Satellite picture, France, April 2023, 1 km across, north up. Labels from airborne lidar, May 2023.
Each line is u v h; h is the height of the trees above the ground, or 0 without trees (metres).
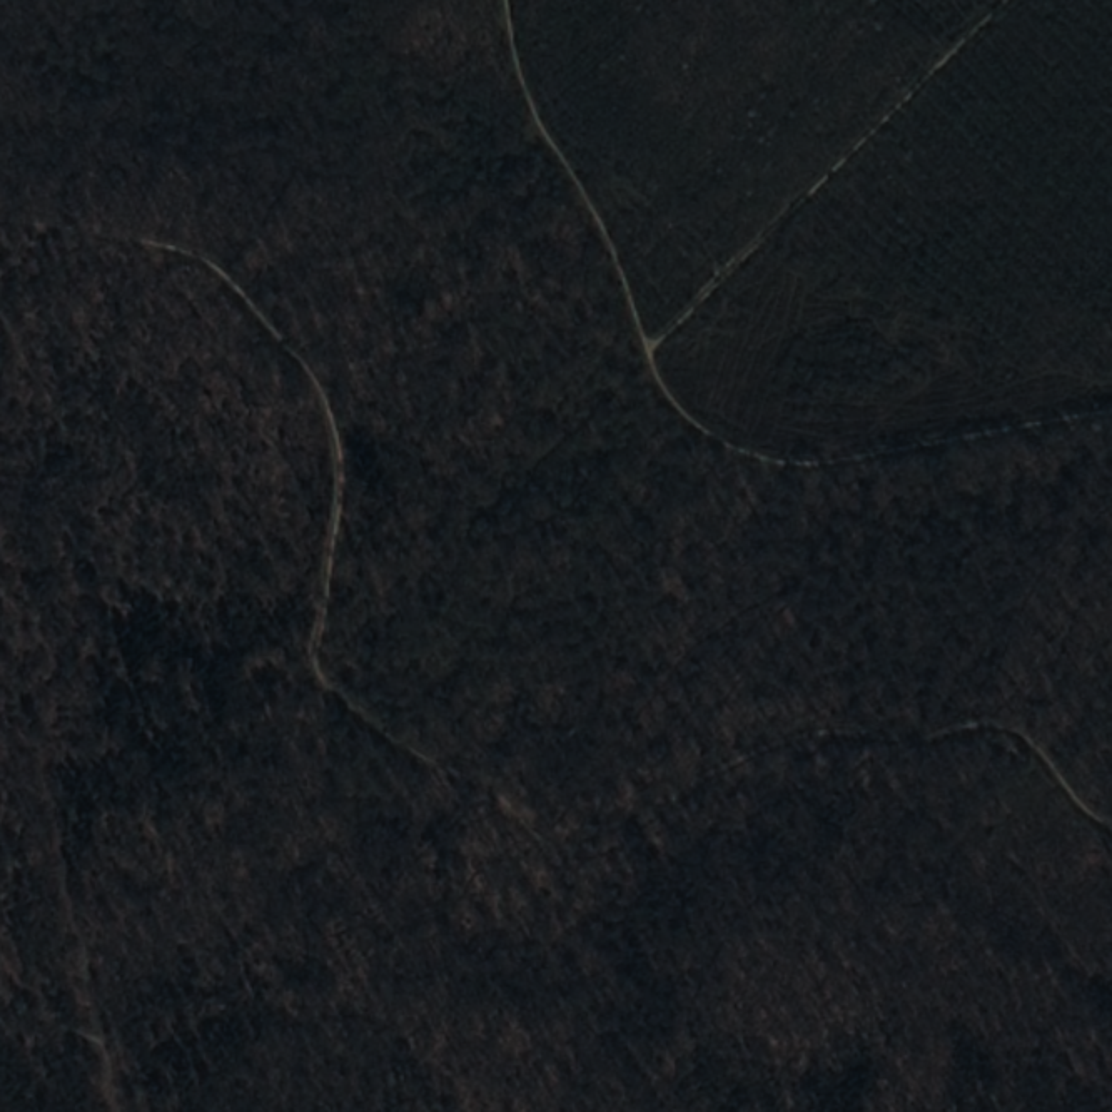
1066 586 25
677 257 11
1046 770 12
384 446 27
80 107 19
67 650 14
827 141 13
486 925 31
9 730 20
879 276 9
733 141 14
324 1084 13
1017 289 11
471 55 14
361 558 28
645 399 25
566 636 27
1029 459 26
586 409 16
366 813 23
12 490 20
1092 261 11
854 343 12
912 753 20
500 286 26
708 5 14
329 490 6
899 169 8
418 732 26
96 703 16
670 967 21
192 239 25
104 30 23
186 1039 14
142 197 22
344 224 27
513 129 18
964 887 18
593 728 29
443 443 30
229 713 20
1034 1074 19
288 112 13
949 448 13
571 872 28
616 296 11
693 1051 22
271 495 21
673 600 29
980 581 29
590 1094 20
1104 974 12
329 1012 23
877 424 0
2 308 18
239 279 24
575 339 24
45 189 24
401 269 31
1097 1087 24
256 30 15
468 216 28
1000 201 9
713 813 22
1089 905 9
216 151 15
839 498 25
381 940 21
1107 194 11
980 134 13
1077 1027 23
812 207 13
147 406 20
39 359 22
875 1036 18
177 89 18
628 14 14
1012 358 8
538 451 24
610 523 28
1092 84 12
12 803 21
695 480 31
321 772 28
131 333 22
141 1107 14
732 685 28
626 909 25
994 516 16
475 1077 24
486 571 27
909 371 9
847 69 14
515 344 29
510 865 27
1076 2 10
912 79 9
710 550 28
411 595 29
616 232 13
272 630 19
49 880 11
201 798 23
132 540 12
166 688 21
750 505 28
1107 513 25
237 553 22
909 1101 21
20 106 19
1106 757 28
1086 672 32
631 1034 24
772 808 25
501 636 17
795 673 26
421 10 18
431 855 25
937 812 24
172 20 19
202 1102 9
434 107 25
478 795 26
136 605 8
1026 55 9
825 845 13
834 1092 14
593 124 13
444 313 30
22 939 14
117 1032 13
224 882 20
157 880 20
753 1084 17
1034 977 23
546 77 12
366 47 21
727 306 8
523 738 28
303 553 15
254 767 24
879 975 25
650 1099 18
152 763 23
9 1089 12
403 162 25
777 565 31
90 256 13
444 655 26
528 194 9
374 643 26
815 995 24
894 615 27
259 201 24
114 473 18
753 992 22
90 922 24
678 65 15
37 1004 14
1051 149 13
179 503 19
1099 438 26
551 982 30
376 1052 19
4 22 25
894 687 28
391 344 26
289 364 11
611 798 28
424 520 27
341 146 24
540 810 31
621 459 27
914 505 26
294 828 24
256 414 22
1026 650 30
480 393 25
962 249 9
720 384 0
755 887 17
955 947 15
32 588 13
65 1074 13
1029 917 11
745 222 15
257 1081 21
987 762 26
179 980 9
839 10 15
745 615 32
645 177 12
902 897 25
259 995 24
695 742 20
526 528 26
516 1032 26
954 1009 22
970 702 26
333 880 25
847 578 27
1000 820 13
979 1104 20
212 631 21
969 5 8
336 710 21
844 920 26
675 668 19
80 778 25
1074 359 9
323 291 25
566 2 13
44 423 22
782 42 17
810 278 5
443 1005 25
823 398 10
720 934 17
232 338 21
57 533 20
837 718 24
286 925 21
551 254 22
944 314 11
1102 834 11
